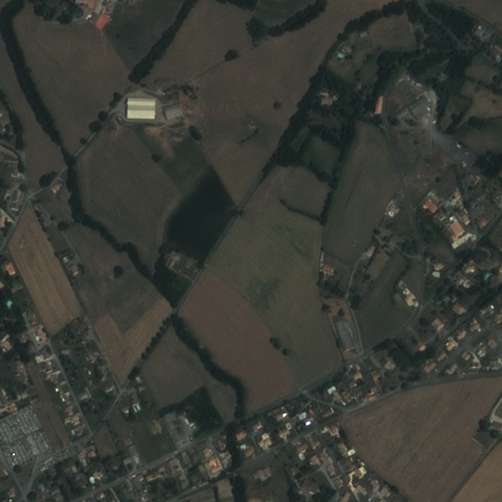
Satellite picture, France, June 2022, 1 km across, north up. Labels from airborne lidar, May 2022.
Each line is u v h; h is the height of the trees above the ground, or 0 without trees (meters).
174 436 0
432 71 0
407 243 11
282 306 0
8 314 14
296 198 0
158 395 0
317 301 0
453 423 0
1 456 0
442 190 0
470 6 0
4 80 0
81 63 0
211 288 0
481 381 0
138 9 0
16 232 0
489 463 0
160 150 0
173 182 0
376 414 0
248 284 0
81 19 0
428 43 13
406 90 0
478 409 0
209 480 9
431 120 0
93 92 0
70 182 20
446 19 11
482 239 9
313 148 0
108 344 0
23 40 0
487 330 0
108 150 0
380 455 0
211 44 0
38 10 15
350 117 8
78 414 0
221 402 0
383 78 21
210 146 0
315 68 0
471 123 16
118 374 0
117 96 18
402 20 0
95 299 0
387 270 0
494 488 0
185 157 0
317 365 0
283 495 0
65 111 0
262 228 0
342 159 9
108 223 0
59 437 0
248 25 8
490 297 9
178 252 9
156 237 0
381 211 0
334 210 0
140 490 0
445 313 7
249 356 0
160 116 0
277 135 0
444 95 8
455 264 0
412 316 0
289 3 0
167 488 7
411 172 0
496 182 8
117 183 0
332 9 0
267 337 0
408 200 0
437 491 0
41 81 0
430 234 9
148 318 0
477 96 0
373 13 15
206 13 0
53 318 0
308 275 0
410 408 0
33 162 0
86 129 0
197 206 0
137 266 12
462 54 18
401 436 0
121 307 0
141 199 0
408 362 14
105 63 0
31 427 0
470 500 0
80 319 6
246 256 0
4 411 6
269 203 0
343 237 0
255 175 0
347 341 0
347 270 0
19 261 0
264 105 0
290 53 0
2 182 7
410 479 0
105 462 10
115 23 0
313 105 8
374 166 0
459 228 0
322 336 0
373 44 0
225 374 15
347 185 0
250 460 0
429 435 0
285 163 15
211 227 0
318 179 10
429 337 0
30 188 0
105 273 0
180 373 0
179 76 0
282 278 0
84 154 0
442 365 0
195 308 0
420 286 0
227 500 0
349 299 8
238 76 0
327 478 0
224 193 0
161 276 20
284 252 0
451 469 0
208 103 0
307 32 0
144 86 13
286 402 9
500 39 6
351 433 0
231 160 0
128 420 9
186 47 0
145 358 18
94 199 0
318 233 0
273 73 0
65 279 0
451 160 0
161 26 0
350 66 0
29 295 0
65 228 14
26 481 0
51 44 0
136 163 0
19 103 0
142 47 0
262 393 0
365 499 0
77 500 0
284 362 0
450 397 0
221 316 0
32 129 0
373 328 0
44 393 0
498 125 0
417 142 12
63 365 7
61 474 9
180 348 0
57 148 0
